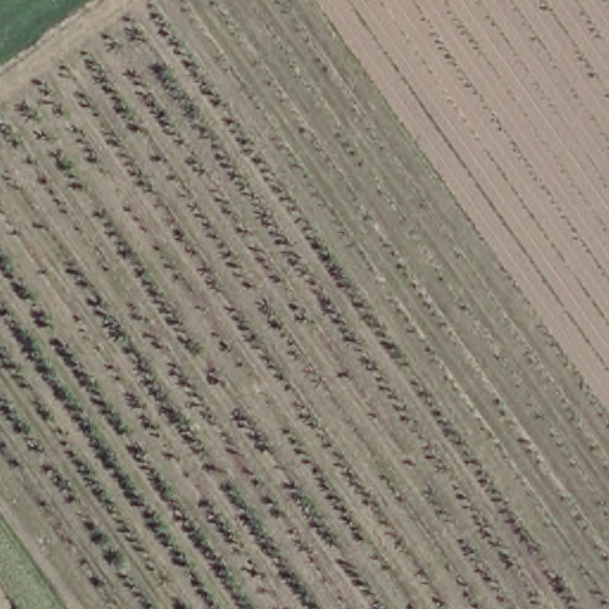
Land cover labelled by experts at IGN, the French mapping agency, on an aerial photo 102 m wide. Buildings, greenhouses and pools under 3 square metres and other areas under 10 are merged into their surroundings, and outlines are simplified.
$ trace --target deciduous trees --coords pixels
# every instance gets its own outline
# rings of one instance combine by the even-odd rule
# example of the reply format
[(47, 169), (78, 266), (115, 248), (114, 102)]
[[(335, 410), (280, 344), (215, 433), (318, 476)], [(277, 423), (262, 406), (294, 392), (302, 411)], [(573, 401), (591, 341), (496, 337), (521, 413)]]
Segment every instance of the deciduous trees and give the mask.
[(55, 352), (69, 366), (79, 385), (88, 390), (90, 402), (100, 409), (107, 423), (114, 428), (114, 433), (128, 433), (121, 423), (121, 416), (102, 397), (100, 385), (90, 381), (90, 376), (67, 350), (67, 345), (55, 338), (50, 343)]
[(164, 64), (152, 64), (152, 74), (169, 93), (169, 100), (178, 102), (178, 107), (190, 121), (190, 128), (200, 133), (202, 140), (209, 140), (216, 164), (221, 169), (228, 169), (231, 157), (226, 155), (226, 147), (219, 143), (219, 136), (209, 126), (195, 119), (197, 107), (193, 105), (190, 95), (176, 83), (176, 79)]
[(67, 207), (57, 197), (52, 183), (45, 176), (38, 176), (38, 183), (50, 195), (57, 212), (64, 216)]
[(540, 545), (535, 545), (535, 540), (526, 533), (523, 526), (519, 526), (514, 511), (507, 507), (497, 514), (502, 514), (504, 523), (519, 538), (519, 542), (523, 542), (528, 554), (538, 552)]
[(188, 209), (202, 224), (205, 236), (214, 240), (219, 255), (228, 252), (231, 247), (224, 240), (224, 236), (216, 233), (216, 226), (212, 226), (209, 216), (195, 202)]
[(200, 457), (207, 450), (205, 442), (195, 438), (195, 431), (190, 428), (188, 419), (171, 407), (171, 397), (167, 395), (167, 390), (162, 390), (162, 383), (152, 381), (145, 388), (150, 397), (157, 402), (159, 414), (164, 414), (167, 421), (178, 431), (181, 440), (190, 447), (190, 452)]
[(159, 492), (159, 497), (167, 502), (171, 511), (178, 509), (178, 500), (169, 492), (157, 469), (140, 452), (133, 457), (138, 469), (147, 473), (152, 488)]
[(478, 535), (485, 538), (488, 547), (495, 550), (504, 569), (511, 569), (511, 559), (509, 554), (504, 554), (502, 540), (490, 535), (488, 530), (488, 519), (473, 516)]
[(407, 423), (409, 407), (400, 400), (395, 388), (390, 388), (388, 376), (376, 376), (378, 393), (385, 393), (393, 412), (397, 412), (402, 423)]
[(79, 288), (88, 288), (90, 281), (71, 259), (64, 264), (64, 271), (74, 278)]
[(155, 26), (157, 26), (157, 33), (159, 33), (159, 36), (162, 36), (162, 38), (164, 38), (164, 36), (167, 36), (167, 21), (164, 21), (164, 17), (162, 17), (162, 14), (159, 14), (159, 12), (157, 12), (157, 10), (155, 10), (155, 2), (147, 2), (147, 14), (150, 14), (150, 19), (152, 19), (152, 21), (155, 21)]
[(295, 250), (290, 250), (283, 252), (285, 262), (309, 283), (309, 290), (314, 293), (321, 312), (328, 314), (333, 326), (338, 326), (340, 338), (359, 352), (362, 366), (366, 371), (373, 371), (378, 364), (369, 357), (364, 340), (347, 328), (347, 321), (335, 312), (331, 300), (324, 295), (314, 274), (300, 262), (300, 255)]
[(243, 197), (250, 200), (252, 212), (271, 236), (271, 240), (276, 245), (288, 245), (290, 240), (278, 231), (278, 221), (266, 212), (262, 195), (255, 193), (252, 183), (247, 183), (247, 176), (233, 171), (228, 174), (228, 178)]
[(252, 143), (245, 138), (243, 124), (233, 117), (226, 117), (224, 124), (238, 140), (243, 155), (252, 159), (252, 164), (257, 164), (264, 183), (278, 195), (281, 202), (288, 205), (288, 190), (283, 188), (283, 183), (278, 183), (269, 164), (257, 155), (257, 150), (252, 150)]
[(245, 550), (243, 540), (238, 540), (228, 530), (226, 521), (219, 516), (214, 504), (209, 504), (205, 507), (207, 521), (219, 530), (224, 542), (231, 545), (233, 554), (247, 559), (247, 566), (240, 569), (240, 573), (247, 576), (250, 569), (257, 569), (252, 552)]
[(307, 554), (307, 561), (314, 571), (326, 569), (305, 540), (295, 540), (295, 547)]
[(561, 578), (557, 576), (550, 585), (566, 609), (580, 609), (571, 590), (564, 588)]
[(74, 495), (69, 483), (59, 476), (57, 466), (43, 464), (43, 473), (52, 478), (55, 488), (64, 497)]
[(88, 50), (79, 50), (86, 69), (90, 71), (90, 79), (100, 86), (102, 93), (109, 95), (114, 112), (124, 114), (128, 107), (124, 105), (119, 90), (109, 86), (102, 64), (93, 59)]
[(131, 247), (124, 231), (112, 219), (109, 224), (105, 224), (105, 233), (114, 238), (117, 252), (131, 262), (133, 271), (143, 269), (140, 255)]
[(126, 171), (133, 178), (133, 183), (150, 195), (155, 186), (138, 169), (136, 157), (128, 152), (119, 152), (119, 159), (126, 164)]
[(285, 585), (297, 595), (305, 609), (321, 609), (314, 595), (307, 590), (307, 585), (300, 583), (300, 576), (295, 573), (285, 580)]
[(331, 259), (324, 264), (326, 271), (340, 290), (345, 290), (350, 305), (354, 307), (362, 300), (362, 295), (347, 281), (335, 259)]
[(302, 514), (307, 516), (309, 528), (314, 528), (326, 545), (333, 547), (338, 540), (335, 533), (331, 533), (324, 523), (324, 514), (319, 514), (314, 500), (302, 492), (302, 485), (297, 485), (295, 490), (288, 490), (290, 500), (297, 502)]
[(243, 414), (243, 409), (233, 409), (233, 421), (238, 423), (238, 428), (247, 428), (255, 450), (264, 452), (269, 442), (266, 435), (259, 433), (257, 421)]
[(109, 305), (102, 302), (102, 297), (93, 297), (88, 300), (88, 307), (93, 307), (93, 314), (102, 321), (109, 335), (117, 338), (124, 354), (128, 354), (128, 359), (133, 362), (136, 371), (152, 371), (143, 352), (131, 343), (131, 335), (109, 314)]
[(381, 473), (378, 478), (393, 492), (395, 502), (402, 504), (407, 497), (402, 492), (400, 478), (393, 473)]
[(255, 609), (255, 604), (245, 595), (240, 595), (233, 588), (228, 569), (205, 542), (193, 521), (186, 514), (181, 514), (174, 521), (181, 523), (190, 542), (209, 561), (214, 576), (221, 580), (224, 590), (231, 595), (238, 609)]
[(197, 83), (200, 93), (214, 107), (219, 107), (219, 93), (212, 90), (209, 81), (197, 71), (197, 64), (188, 59), (183, 62), (183, 67), (188, 69), (190, 79)]
[(71, 126), (71, 136), (81, 145), (86, 162), (95, 164), (98, 155), (86, 131), (81, 126)]
[(381, 609), (376, 592), (371, 590), (371, 583), (362, 578), (352, 561), (338, 559), (338, 566), (362, 590), (371, 609)]
[(457, 588), (471, 609), (485, 609), (476, 597), (473, 585), (469, 580), (459, 580)]
[(174, 131), (167, 112), (155, 102), (155, 98), (150, 93), (136, 93), (138, 100), (150, 109), (150, 114), (162, 126), (162, 133), (169, 136), (176, 145), (183, 145), (181, 131)]
[(302, 454), (297, 457), (307, 469), (312, 469), (314, 481), (324, 490), (326, 500), (340, 514), (340, 521), (350, 528), (352, 538), (359, 542), (364, 535), (362, 526), (345, 507), (345, 500), (326, 481), (324, 469), (316, 464), (316, 459), (312, 459), (309, 450), (302, 450)]
[(157, 309), (164, 314), (164, 319), (178, 316), (178, 309), (164, 300), (155, 281), (150, 281), (145, 274), (140, 276), (140, 283), (157, 305)]
[(426, 488), (423, 495), (428, 504), (438, 516), (442, 516), (445, 509), (450, 509), (452, 504), (447, 504), (435, 492), (435, 488)]
[(483, 471), (483, 464), (473, 457), (473, 452), (469, 452), (469, 445), (464, 442), (462, 433), (457, 433), (450, 426), (450, 421), (445, 421), (445, 416), (440, 414), (435, 416), (435, 423), (440, 426), (442, 435), (450, 438), (450, 442), (459, 450), (464, 464), (473, 469), (478, 483), (490, 495), (490, 500), (500, 502), (502, 495)]
[(152, 530), (162, 547), (167, 547), (171, 542), (171, 535), (159, 523), (155, 511), (145, 511), (145, 526)]
[(62, 157), (59, 150), (55, 150), (50, 152), (50, 157), (59, 171), (64, 171), (69, 188), (83, 190), (83, 183), (71, 162)]
[(143, 552), (145, 547), (136, 530), (126, 523), (126, 519), (119, 519), (117, 528), (119, 533), (124, 533), (124, 540), (131, 542), (133, 552)]
[(281, 276), (264, 257), (264, 250), (255, 245), (255, 262), (266, 271), (271, 283), (281, 283)]
[(10, 409), (7, 400), (0, 395), (0, 414), (10, 421), (14, 433), (29, 433), (29, 426), (19, 421), (19, 416)]
[(400, 547), (404, 538), (397, 533), (397, 523), (388, 519), (378, 500), (362, 485), (359, 476), (352, 471), (352, 464), (338, 450), (333, 454), (335, 466), (347, 478), (350, 488), (362, 497), (362, 504), (371, 509), (376, 523), (385, 528), (385, 535), (395, 542), (395, 547)]
[(447, 67), (454, 74), (462, 71), (464, 67), (452, 57), (450, 48), (440, 40), (440, 36), (428, 33), (431, 43), (442, 55)]
[(238, 331), (243, 331), (243, 338), (252, 345), (252, 350), (262, 354), (266, 369), (274, 373), (276, 381), (281, 381), (283, 390), (288, 393), (293, 385), (285, 376), (285, 369), (269, 354), (266, 343), (245, 321), (243, 309), (226, 307)]
[(33, 345), (33, 338), (19, 326), (17, 314), (10, 309), (5, 316), (0, 316), (0, 319), (21, 345), (21, 352), (33, 364), (33, 369), (43, 376), (45, 385), (69, 412), (71, 421), (86, 435), (95, 457), (119, 483), (128, 504), (140, 507), (145, 500), (133, 490), (128, 476), (109, 454), (98, 431), (88, 423), (88, 419), (83, 419), (81, 407), (69, 400), (67, 390), (57, 383), (55, 373), (40, 357), (40, 350)]
[(195, 383), (188, 381), (178, 364), (169, 362), (169, 376), (188, 390), (188, 409), (197, 409), (200, 416), (212, 426), (214, 414), (205, 402), (205, 395), (197, 390)]
[(112, 566), (117, 569), (117, 580), (138, 599), (138, 604), (145, 602), (145, 592), (138, 590), (131, 576), (121, 573), (121, 559), (117, 559)]
[(95, 478), (95, 473), (74, 450), (69, 450), (67, 459), (83, 476), (88, 490), (98, 490), (100, 481)]
[(247, 502), (240, 497), (238, 488), (233, 488), (233, 492), (228, 492), (226, 497), (238, 509), (238, 516), (252, 516), (245, 526), (250, 528), (257, 547), (274, 559), (278, 573), (288, 571), (290, 564), (264, 533), (262, 521), (255, 519)]

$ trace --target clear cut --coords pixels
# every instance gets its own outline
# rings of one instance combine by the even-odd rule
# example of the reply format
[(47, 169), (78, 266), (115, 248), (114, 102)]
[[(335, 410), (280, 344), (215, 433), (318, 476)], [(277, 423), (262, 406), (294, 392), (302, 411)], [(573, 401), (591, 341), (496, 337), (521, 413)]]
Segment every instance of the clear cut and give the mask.
[[(338, 26), (350, 50), (362, 59), (362, 67), (388, 98), (393, 112), (400, 117), (404, 128), (421, 145), (421, 150), (442, 174), (445, 183), (457, 195), (462, 207), (476, 221), (478, 231), (483, 233), (497, 259), (511, 271), (516, 285), (521, 285), (526, 297), (533, 302), (533, 309), (540, 314), (547, 331), (564, 347), (569, 359), (583, 373), (583, 381), (609, 412), (609, 0), (316, 0), (321, 12), (326, 12), (326, 17)], [(442, 55), (431, 43), (428, 33), (440, 36), (440, 40), (450, 48), (452, 57), (464, 67), (462, 71), (454, 74), (447, 67)]]

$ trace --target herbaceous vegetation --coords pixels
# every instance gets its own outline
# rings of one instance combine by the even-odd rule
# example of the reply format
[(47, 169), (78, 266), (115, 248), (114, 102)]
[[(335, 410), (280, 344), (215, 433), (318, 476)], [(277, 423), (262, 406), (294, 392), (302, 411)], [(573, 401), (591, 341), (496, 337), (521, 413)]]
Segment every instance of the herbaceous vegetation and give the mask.
[[(162, 17), (164, 17), (164, 21), (167, 21), (167, 36), (164, 36), (164, 38), (162, 38), (162, 36), (159, 36), (159, 33), (157, 33), (157, 26), (155, 26), (155, 21), (152, 21), (152, 19), (150, 19), (150, 14), (147, 14), (147, 2), (155, 2), (155, 10), (157, 10), (157, 12), (159, 12), (159, 14), (162, 14)], [(100, 86), (90, 79), (90, 71), (86, 69), (79, 50), (88, 50), (93, 59), (102, 64), (109, 86), (119, 90), (124, 105), (128, 107), (124, 114), (114, 112), (109, 95), (102, 93)], [(188, 59), (197, 64), (197, 71), (209, 81), (212, 90), (219, 93), (219, 107), (214, 107), (200, 93), (197, 83), (190, 79), (188, 69), (183, 67), (183, 62)], [(202, 140), (200, 133), (190, 128), (190, 121), (178, 107), (178, 102), (169, 100), (169, 93), (152, 74), (152, 64), (164, 64), (176, 79), (176, 83), (190, 95), (193, 105), (197, 107), (195, 119), (209, 126), (219, 136), (219, 143), (226, 147), (226, 155), (231, 157), (228, 169), (221, 169), (216, 164), (209, 140)], [(167, 112), (174, 131), (181, 131), (183, 145), (176, 145), (169, 136), (162, 133), (162, 126), (150, 114), (150, 109), (138, 100), (136, 93), (150, 93), (155, 98), (155, 102)], [(283, 183), (283, 188), (288, 190), (288, 205), (281, 202), (278, 195), (264, 183), (257, 164), (252, 164), (252, 159), (243, 155), (238, 140), (224, 124), (226, 117), (233, 117), (243, 124), (245, 138), (252, 143), (252, 150), (257, 150), (257, 155), (269, 164), (278, 183)], [(71, 136), (71, 126), (81, 126), (86, 131), (98, 155), (95, 164), (86, 162), (81, 145)], [(71, 162), (83, 183), (83, 190), (69, 188), (64, 171), (59, 171), (50, 157), (50, 152), (55, 150), (59, 150), (62, 157)], [(136, 157), (138, 169), (155, 186), (150, 195), (133, 183), (133, 178), (126, 171), (126, 164), (119, 159), (119, 152), (128, 152)], [(250, 200), (243, 197), (228, 178), (228, 174), (233, 171), (247, 176), (247, 183), (252, 183), (255, 193), (262, 195), (266, 212), (278, 221), (278, 231), (290, 240), (288, 245), (276, 245), (271, 240), (271, 236), (252, 212)], [(64, 216), (57, 212), (50, 195), (38, 183), (38, 176), (45, 176), (52, 183), (57, 197), (67, 207)], [(212, 226), (216, 226), (216, 233), (224, 236), (224, 240), (231, 247), (228, 252), (219, 255), (214, 240), (205, 236), (202, 224), (188, 209), (195, 202), (209, 216)], [(140, 255), (143, 269), (133, 271), (131, 262), (117, 252), (114, 238), (105, 233), (105, 224), (109, 224), (112, 219), (124, 231), (131, 247)], [(271, 283), (266, 271), (255, 262), (255, 245), (264, 250), (264, 257), (281, 276), (281, 283)], [(324, 295), (331, 300), (335, 312), (347, 321), (347, 328), (364, 340), (369, 357), (378, 364), (373, 371), (366, 371), (362, 366), (359, 352), (340, 338), (338, 326), (333, 326), (328, 314), (321, 312), (314, 293), (309, 290), (309, 283), (285, 262), (283, 252), (290, 250), (295, 250), (300, 255), (300, 262), (314, 274)], [(88, 288), (79, 288), (74, 278), (64, 271), (64, 264), (71, 259), (90, 281)], [(331, 259), (335, 259), (347, 281), (362, 295), (362, 300), (354, 307), (350, 305), (345, 290), (340, 290), (326, 271), (324, 264)], [(157, 309), (157, 305), (140, 283), (140, 276), (145, 274), (150, 281), (155, 281), (164, 300), (178, 309), (178, 316), (164, 319), (164, 314)], [(102, 297), (102, 302), (109, 305), (109, 314), (131, 335), (131, 343), (143, 352), (152, 371), (136, 371), (133, 362), (128, 359), (128, 354), (124, 354), (117, 338), (109, 335), (102, 321), (93, 314), (93, 307), (88, 307), (88, 300), (93, 297)], [(281, 381), (276, 381), (274, 373), (266, 369), (262, 354), (252, 350), (252, 345), (243, 338), (243, 331), (238, 331), (226, 307), (243, 309), (245, 321), (266, 343), (269, 354), (285, 369), (285, 376), (293, 385), (288, 393), (283, 390)], [(19, 326), (33, 338), (33, 345), (40, 350), (40, 357), (55, 373), (57, 383), (67, 390), (69, 400), (81, 407), (83, 419), (88, 419), (88, 423), (98, 431), (109, 454), (128, 476), (133, 490), (145, 500), (140, 507), (128, 504), (119, 483), (95, 457), (86, 435), (71, 421), (69, 412), (45, 385), (43, 376), (33, 369), (33, 364), (21, 352), (21, 345), (0, 319), (0, 395), (7, 400), (10, 409), (19, 416), (19, 421), (29, 426), (29, 433), (14, 433), (10, 421), (0, 414), (0, 609), (238, 609), (231, 595), (224, 590), (221, 580), (214, 576), (209, 561), (190, 542), (181, 523), (174, 521), (181, 514), (186, 514), (193, 521), (205, 542), (228, 569), (233, 588), (240, 595), (245, 595), (255, 604), (255, 609), (305, 609), (297, 595), (285, 585), (285, 580), (295, 573), (300, 576), (300, 583), (307, 585), (307, 590), (314, 595), (321, 609), (371, 609), (362, 590), (338, 566), (338, 559), (352, 561), (362, 578), (371, 583), (371, 590), (376, 592), (381, 609), (471, 609), (457, 588), (459, 580), (469, 580), (473, 585), (476, 597), (485, 609), (566, 609), (550, 585), (557, 576), (561, 578), (564, 588), (571, 590), (580, 609), (609, 609), (609, 412), (583, 381), (583, 373), (569, 359), (564, 347), (547, 331), (540, 314), (533, 309), (533, 302), (526, 297), (521, 285), (516, 285), (511, 271), (497, 259), (483, 233), (478, 231), (476, 221), (462, 207), (457, 195), (445, 183), (442, 174), (421, 150), (421, 145), (404, 128), (400, 117), (393, 112), (388, 98), (362, 67), (362, 59), (350, 50), (338, 26), (326, 17), (326, 12), (321, 12), (316, 0), (0, 0), (0, 316), (5, 316), (10, 309), (17, 314)], [(128, 433), (114, 433), (114, 428), (107, 423), (100, 409), (90, 402), (88, 390), (79, 385), (69, 366), (55, 352), (50, 343), (55, 338), (67, 345), (67, 350), (90, 376), (90, 381), (100, 385), (102, 397), (121, 416), (121, 423)], [(169, 376), (169, 362), (178, 364), (188, 381), (195, 383), (197, 390), (205, 395), (205, 402), (214, 414), (212, 426), (200, 416), (197, 409), (188, 409), (188, 390)], [(397, 412), (393, 412), (385, 393), (378, 393), (376, 376), (388, 376), (390, 388), (395, 388), (400, 400), (409, 407), (407, 423), (402, 423)], [(162, 390), (167, 390), (167, 395), (171, 397), (171, 407), (188, 419), (190, 428), (195, 431), (195, 438), (205, 442), (207, 450), (200, 457), (190, 452), (190, 447), (181, 440), (178, 431), (167, 421), (164, 414), (159, 414), (157, 402), (150, 397), (145, 388), (152, 381), (162, 383)], [(243, 409), (243, 414), (257, 421), (259, 433), (266, 435), (269, 442), (264, 452), (255, 450), (247, 428), (238, 428), (238, 423), (233, 421), (233, 409)], [(435, 423), (435, 416), (440, 414), (445, 416), (445, 421), (450, 421), (450, 426), (457, 433), (462, 433), (464, 442), (469, 445), (469, 452), (473, 452), (473, 457), (483, 464), (483, 471), (502, 495), (500, 502), (490, 500), (490, 495), (478, 483), (473, 469), (464, 464), (459, 450), (450, 442), (450, 438), (442, 435), (440, 426)], [(83, 476), (67, 459), (69, 450), (74, 450), (95, 473), (95, 478), (100, 481), (98, 490), (88, 490)], [(345, 500), (345, 507), (362, 526), (364, 535), (359, 542), (352, 538), (350, 528), (340, 521), (340, 514), (326, 500), (324, 490), (314, 481), (312, 469), (307, 469), (297, 457), (302, 454), (302, 450), (309, 450), (312, 459), (316, 459), (316, 464), (324, 469), (326, 481)], [(388, 519), (397, 523), (397, 533), (404, 538), (400, 547), (395, 547), (395, 542), (385, 535), (385, 528), (376, 523), (371, 509), (362, 504), (362, 497), (350, 488), (347, 478), (335, 466), (333, 454), (338, 450), (352, 464), (352, 471), (359, 476), (362, 485), (378, 500)], [(157, 469), (169, 492), (178, 500), (178, 509), (171, 511), (167, 502), (159, 497), (159, 492), (152, 488), (147, 473), (138, 469), (133, 457), (140, 452)], [(52, 478), (43, 473), (43, 464), (57, 466), (59, 476), (69, 483), (74, 495), (64, 497), (55, 488)], [(402, 492), (407, 497), (402, 504), (395, 502), (393, 492), (378, 478), (381, 473), (393, 473), (400, 478)], [(307, 516), (302, 514), (297, 502), (290, 500), (288, 490), (295, 490), (297, 485), (302, 485), (302, 492), (314, 500), (319, 514), (324, 514), (324, 523), (331, 533), (335, 533), (338, 540), (333, 547), (326, 545), (314, 528), (309, 528)], [(228, 492), (233, 492), (233, 488), (238, 488), (240, 497), (247, 502), (255, 519), (262, 521), (264, 533), (290, 564), (288, 571), (278, 573), (274, 559), (257, 547), (250, 528), (245, 526), (252, 516), (238, 516), (238, 509), (226, 497)], [(450, 509), (445, 509), (442, 516), (438, 516), (428, 504), (423, 495), (426, 488), (435, 488), (435, 492), (447, 504), (452, 504)], [(247, 576), (240, 573), (240, 569), (247, 566), (247, 559), (233, 554), (231, 545), (224, 542), (219, 530), (207, 521), (205, 507), (209, 504), (214, 504), (219, 516), (226, 521), (228, 530), (238, 540), (243, 540), (245, 550), (252, 552), (257, 569), (250, 569)], [(502, 514), (497, 514), (507, 507), (514, 511), (519, 526), (523, 526), (526, 533), (535, 540), (535, 545), (540, 545), (538, 552), (528, 554), (523, 542), (519, 542), (519, 538), (504, 523)], [(162, 547), (152, 530), (145, 526), (145, 511), (155, 511), (159, 523), (171, 535), (171, 542), (167, 547)], [(488, 530), (490, 535), (502, 540), (504, 554), (509, 554), (511, 559), (511, 569), (504, 569), (495, 550), (488, 547), (485, 538), (478, 535), (473, 516), (488, 519)], [(124, 540), (124, 533), (119, 533), (117, 528), (119, 519), (126, 519), (126, 523), (136, 530), (145, 547), (143, 552), (133, 552), (131, 542)], [(307, 561), (307, 554), (295, 547), (295, 540), (305, 540), (326, 569), (314, 571)], [(138, 604), (138, 599), (117, 580), (117, 569), (112, 566), (117, 559), (121, 559), (121, 573), (131, 576), (138, 590), (145, 592), (145, 602)]]

